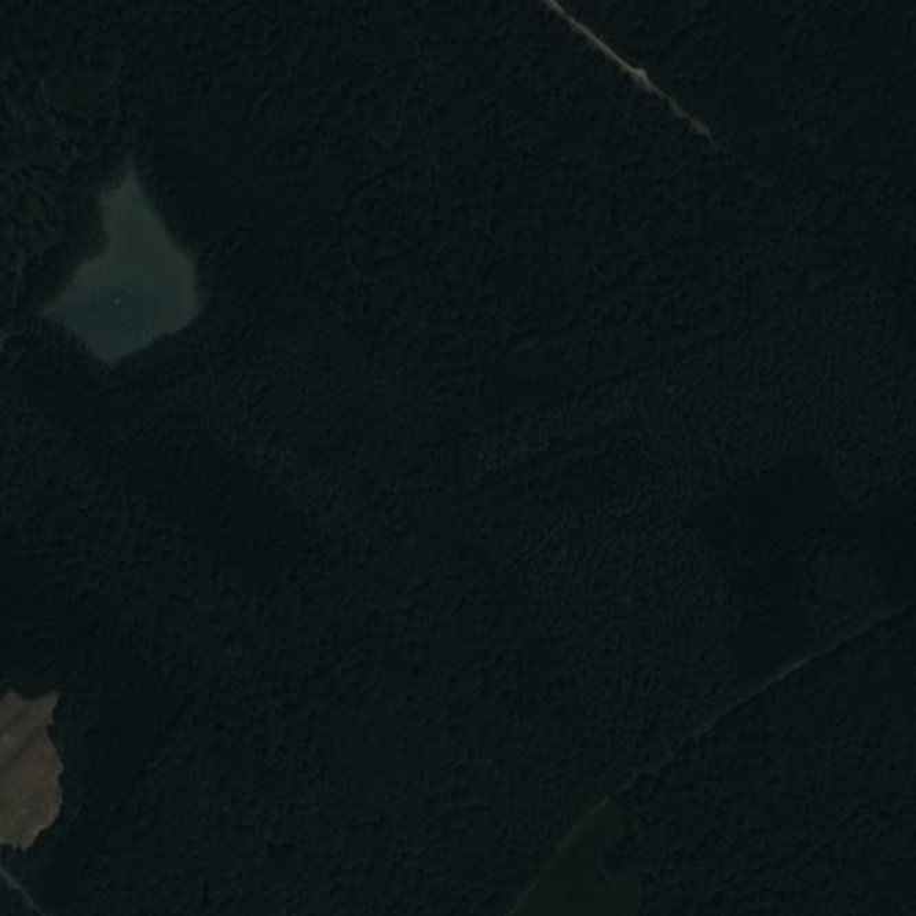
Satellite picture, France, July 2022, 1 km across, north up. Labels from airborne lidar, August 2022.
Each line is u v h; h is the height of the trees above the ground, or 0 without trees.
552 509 23
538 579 30
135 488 17
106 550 19
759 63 24
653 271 17
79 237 16
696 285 26
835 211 9
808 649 16
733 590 19
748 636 18
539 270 22
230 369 18
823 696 22
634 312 20
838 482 31
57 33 22
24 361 17
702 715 10
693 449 35
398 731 15
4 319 14
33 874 10
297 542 20
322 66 27
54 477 22
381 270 25
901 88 25
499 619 20
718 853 22
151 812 17
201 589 16
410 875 21
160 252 0
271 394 26
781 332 34
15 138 24
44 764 0
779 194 9
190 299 0
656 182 20
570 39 24
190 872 17
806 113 7
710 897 13
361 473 14
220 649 19
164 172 21
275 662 18
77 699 21
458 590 17
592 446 13
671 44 19
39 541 23
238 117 19
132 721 21
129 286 0
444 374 19
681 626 18
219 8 23
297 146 25
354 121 25
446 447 19
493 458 32
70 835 16
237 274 22
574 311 18
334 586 11
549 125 22
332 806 16
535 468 22
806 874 16
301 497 29
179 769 18
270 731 21
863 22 26
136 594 25
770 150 6
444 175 21
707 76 18
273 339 22
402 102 25
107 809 20
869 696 23
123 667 19
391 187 21
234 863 13
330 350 20
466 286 19
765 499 20
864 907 19
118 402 14
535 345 25
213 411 28
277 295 19
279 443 32
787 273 20
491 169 26
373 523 18
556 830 17
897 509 17
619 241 23
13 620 21
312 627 20
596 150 21
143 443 16
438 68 19
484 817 17
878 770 22
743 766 24
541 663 26
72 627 22
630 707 18
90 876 24
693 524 33
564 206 25
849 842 20
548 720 15
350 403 23
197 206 21
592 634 32
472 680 22
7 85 26
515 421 28
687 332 25
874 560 13
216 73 23
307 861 16
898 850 16
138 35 19
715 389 32
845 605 32
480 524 20
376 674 20
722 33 22
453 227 22
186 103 20
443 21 25
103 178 22
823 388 23
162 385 25
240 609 18
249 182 18
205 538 17
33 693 18
